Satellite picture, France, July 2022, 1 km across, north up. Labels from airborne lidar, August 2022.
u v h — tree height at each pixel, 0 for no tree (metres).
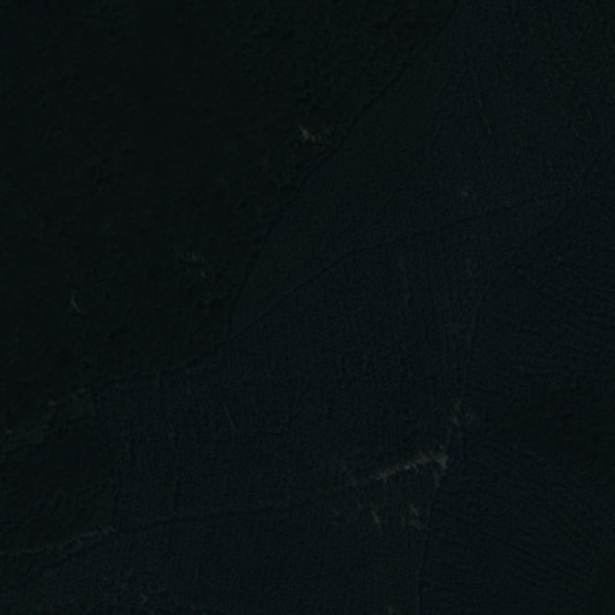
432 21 13
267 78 19
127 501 18
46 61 16
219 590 24
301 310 21
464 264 19
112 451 21
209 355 21
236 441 24
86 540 11
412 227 22
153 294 20
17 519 8
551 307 21
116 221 25
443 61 21
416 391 23
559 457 20
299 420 22
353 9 16
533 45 18
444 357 17
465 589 20
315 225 21
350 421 21
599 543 20
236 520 25
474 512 19
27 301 22
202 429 22
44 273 23
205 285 19
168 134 22
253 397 16
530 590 19
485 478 24
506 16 19
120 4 7
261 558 22
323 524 24
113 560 21
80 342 17
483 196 21
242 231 15
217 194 26
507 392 19
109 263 21
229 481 22
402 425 19
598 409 17
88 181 22
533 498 21
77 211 17
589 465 18
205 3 17
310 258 23
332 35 15
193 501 22
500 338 20
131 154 16
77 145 19
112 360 23
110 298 22
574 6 16
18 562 17
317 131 23
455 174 20
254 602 24
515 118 18
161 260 22
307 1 18
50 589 21
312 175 28
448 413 24
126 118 22
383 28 15
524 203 23
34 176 17
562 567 17
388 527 20
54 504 8
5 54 16
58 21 16
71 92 17
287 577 22
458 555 22
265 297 25
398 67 13
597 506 20
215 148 24
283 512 23
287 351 23
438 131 22
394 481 20
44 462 17
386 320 21
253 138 23
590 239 22
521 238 22
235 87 23
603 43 19
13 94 18
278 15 13
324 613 22
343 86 17
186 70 21
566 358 22
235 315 24
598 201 25
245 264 6
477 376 20
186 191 21
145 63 21
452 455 20
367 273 23
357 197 26
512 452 23
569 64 23
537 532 22
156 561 20
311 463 19
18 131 19
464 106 23
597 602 15
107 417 24
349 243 25
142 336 18
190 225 22
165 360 15
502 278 19
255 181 26
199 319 19
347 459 19
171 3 18
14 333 26
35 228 23
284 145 26
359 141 23
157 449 22
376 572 18
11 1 18
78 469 16
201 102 24
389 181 26
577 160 22
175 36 18
